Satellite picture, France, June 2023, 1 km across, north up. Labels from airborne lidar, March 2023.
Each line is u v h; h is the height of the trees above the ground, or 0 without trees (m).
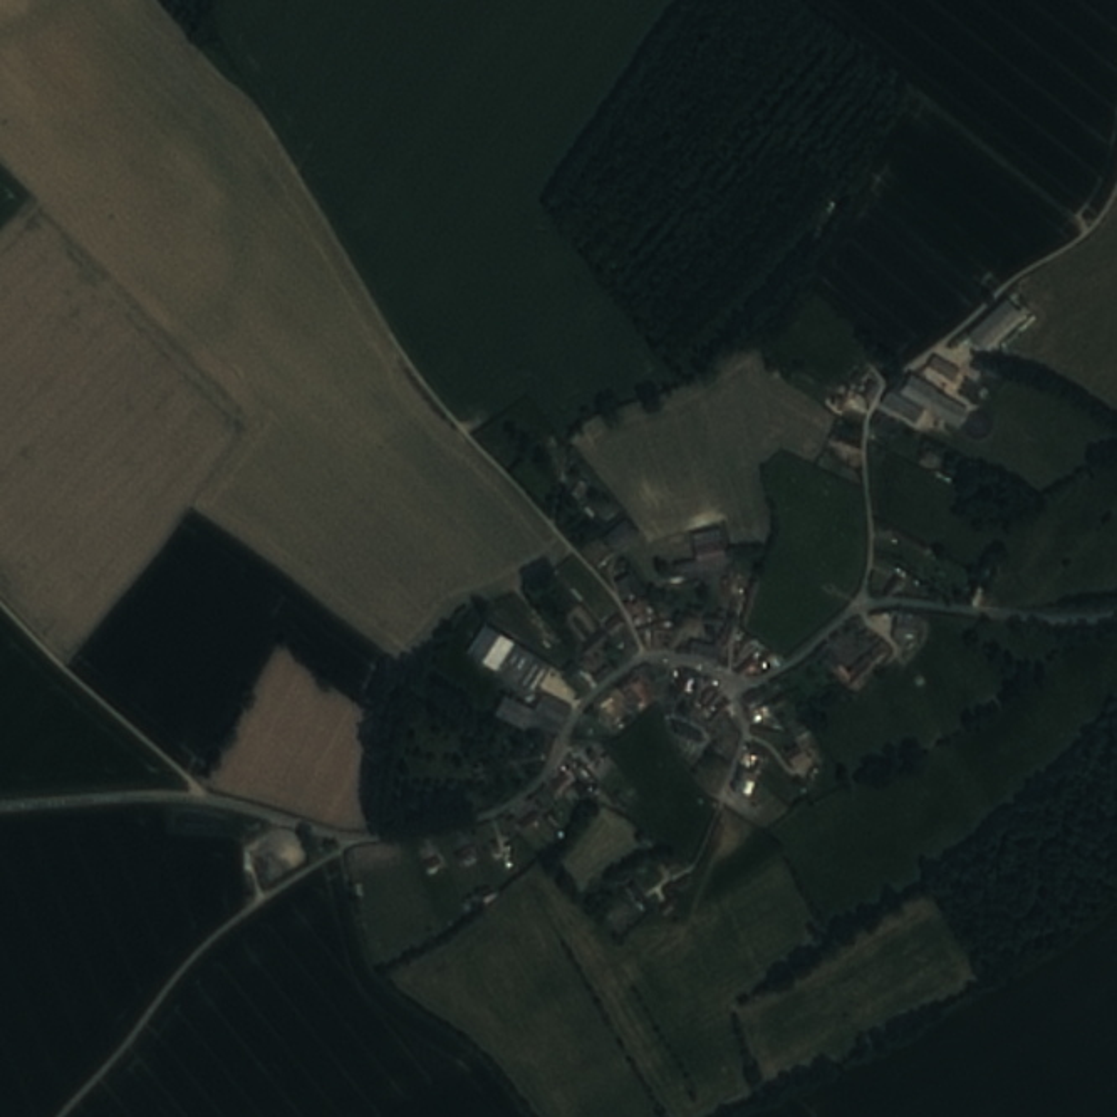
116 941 0
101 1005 0
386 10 0
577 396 0
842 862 0
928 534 0
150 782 0
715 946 0
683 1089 0
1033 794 22
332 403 0
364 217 0
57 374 0
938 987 0
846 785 16
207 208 0
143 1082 0
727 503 0
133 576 0
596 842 0
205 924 0
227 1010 0
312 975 0
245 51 0
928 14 0
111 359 0
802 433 0
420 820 30
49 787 0
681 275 20
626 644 0
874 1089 0
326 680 15
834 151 19
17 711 0
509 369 0
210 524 0
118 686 0
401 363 0
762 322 22
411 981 0
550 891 0
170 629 0
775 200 19
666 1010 0
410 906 0
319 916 0
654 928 0
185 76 0
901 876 0
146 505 0
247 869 0
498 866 0
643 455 0
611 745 0
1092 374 0
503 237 0
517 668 0
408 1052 0
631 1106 0
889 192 0
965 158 0
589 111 0
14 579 0
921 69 0
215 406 0
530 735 14
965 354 0
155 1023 0
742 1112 9
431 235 0
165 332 0
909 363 0
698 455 0
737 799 0
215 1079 0
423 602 0
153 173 0
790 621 0
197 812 0
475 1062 0
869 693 0
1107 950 0
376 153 0
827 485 0
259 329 0
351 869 0
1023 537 0
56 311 0
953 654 0
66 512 0
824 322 0
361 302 0
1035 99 0
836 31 16
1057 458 0
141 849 0
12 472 0
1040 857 22
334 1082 0
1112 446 14
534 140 0
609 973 0
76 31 0
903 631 0
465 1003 0
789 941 0
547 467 19
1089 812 12
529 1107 9
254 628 0
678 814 0
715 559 0
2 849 0
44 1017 0
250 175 0
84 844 0
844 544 0
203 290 0
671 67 18
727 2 19
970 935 17
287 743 0
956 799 0
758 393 0
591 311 0
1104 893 20
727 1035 0
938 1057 0
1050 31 0
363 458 0
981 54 0
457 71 0
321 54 0
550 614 10
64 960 0
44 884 0
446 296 0
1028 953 20
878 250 0
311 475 0
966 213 0
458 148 0
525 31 0
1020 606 0
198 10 13
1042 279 0
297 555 0
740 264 20
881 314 0
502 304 0
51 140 0
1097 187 0
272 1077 0
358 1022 0
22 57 0
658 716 0
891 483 0
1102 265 0
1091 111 0
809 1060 0
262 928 0
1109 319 0
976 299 0
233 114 0
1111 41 0
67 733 0
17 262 0
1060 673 0
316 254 0
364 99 0
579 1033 0
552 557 0
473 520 0
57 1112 0
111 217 0
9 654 0
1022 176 0
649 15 0
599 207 17
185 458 0
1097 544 0
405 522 0
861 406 0
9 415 0
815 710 16
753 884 0
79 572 0
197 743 0
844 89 18
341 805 0
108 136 0
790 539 0
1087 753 19
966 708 0
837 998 0
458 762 13
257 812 0
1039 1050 0
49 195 0
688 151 16
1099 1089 0
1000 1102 0
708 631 9
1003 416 0
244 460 0
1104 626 17
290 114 0
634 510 0
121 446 0
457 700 30
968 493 26
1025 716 0
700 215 20
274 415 0
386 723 21
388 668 21
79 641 0
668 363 17
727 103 20
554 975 0
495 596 0
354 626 0
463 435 0
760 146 19
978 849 10
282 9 0
